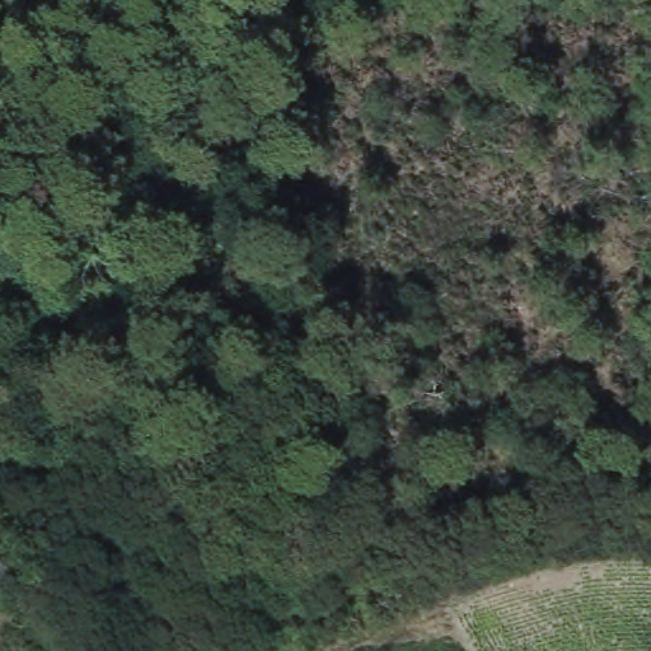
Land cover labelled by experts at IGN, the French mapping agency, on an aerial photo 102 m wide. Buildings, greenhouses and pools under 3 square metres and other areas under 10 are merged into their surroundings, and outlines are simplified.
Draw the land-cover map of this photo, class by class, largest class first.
<instances>
[{"label":"coniferous trees","instance_id":"1","mask_svg":"<svg viewBox=\"0 0 651 651\"><path fill-rule=\"evenodd\" d=\"M41 282L48 287H61L64 295L76 303V310L64 315H43L38 303L28 292L33 285ZM20 320L28 331L15 346L23 361L33 359L31 369L41 379L38 389L43 394V407H53L61 422L74 420L76 415L86 417L92 409L112 412L122 422L132 425V445L137 448V455L153 458L155 465L201 458L203 453L216 450V445L221 442V404L234 402V394H229L216 381L214 369L231 366V374L247 379L252 389H259L264 384V376L277 371L292 376L295 384L290 394L305 420H300L290 435L277 437L272 450L259 453L257 463L277 465L280 486L305 496L323 493L328 488L331 473L351 483H356L361 473H374L384 491L381 516L387 526H407L412 521L407 509L425 501L427 514L432 519H460L470 501H491L501 496H516L526 501L531 496L529 476H542L557 455H562L570 463V468L580 463L585 473L600 470L603 481L608 483H620V476H636V488L641 493L651 491V0H0V320Z\"/></svg>","mask_w":651,"mask_h":651},{"label":"deciduous trees","instance_id":"2","mask_svg":"<svg viewBox=\"0 0 651 651\"><path fill-rule=\"evenodd\" d=\"M28 292L38 303L43 315H64L76 310V303L64 295L61 287H48L41 282L33 285ZM28 331L20 320H0V455L18 460L20 465L38 468H58L64 463H76L84 470L104 476H112L117 468H122L132 478H145L147 470L155 465L153 458L137 455V448L132 445V425L122 422L112 412L92 409L86 417L76 415L74 420L61 422L53 407H43V394L38 389L41 379L31 369L33 359L23 361L15 346ZM216 381L229 394H234V402L221 404V442L229 445V463L247 478V488L252 493L249 529L244 531L242 552L247 562V575L264 577L267 587L272 590L270 600L262 605L272 618H326L328 613H333L341 598L328 587L326 575H338L343 585L351 587V593H369L371 587L394 593L399 585L409 582L415 595H420L422 600H432L435 605L445 603L450 595H470L514 577H524L539 570H562L575 562L641 559L643 565H651V491L641 493L636 488V476H620V483H608L603 481L600 470L585 473L580 463L570 468V463L562 455H557L542 476H529L531 496L526 501L516 496H501L491 501H470L460 519H432L427 514L425 501L407 509L412 521L407 526H387L381 516L384 491L374 473H361L356 483H351L331 473L328 488L323 493L305 496L280 486L277 465L257 463L259 453L272 450L277 437L290 435L300 420H305L290 394L295 384L292 376L277 371L264 376V384L259 389H252L247 379L231 374V366L214 369Z\"/></svg>","mask_w":651,"mask_h":651},{"label":"brushwood","instance_id":"3","mask_svg":"<svg viewBox=\"0 0 651 651\"><path fill-rule=\"evenodd\" d=\"M252 493L247 488V478L229 463V445L221 442L216 445V450L203 453L201 458L155 465L147 470L145 478H132L122 468H117L112 476H104L84 470L76 463H64L58 468H38L20 465L18 460L0 455V651H392L409 646L415 641L409 620L435 605L432 600H422L420 595H415L409 582L399 585L394 593L371 587L369 593H351V587L343 585L338 575H326L328 587L341 598L333 613H328L326 618H272L262 605L270 600L272 590L267 587L264 577L247 575V562L242 552L244 531L249 529Z\"/></svg>","mask_w":651,"mask_h":651},{"label":"agricultural land","instance_id":"4","mask_svg":"<svg viewBox=\"0 0 651 651\"><path fill-rule=\"evenodd\" d=\"M415 641L453 638L465 651H651V565H643L641 559L575 562L562 570H539L524 577H514L470 595H450L445 603L435 605L409 620Z\"/></svg>","mask_w":651,"mask_h":651},{"label":"herbaceous vegetation","instance_id":"5","mask_svg":"<svg viewBox=\"0 0 651 651\"><path fill-rule=\"evenodd\" d=\"M392 651H465L453 638L415 641L409 646Z\"/></svg>","mask_w":651,"mask_h":651}]
</instances>
